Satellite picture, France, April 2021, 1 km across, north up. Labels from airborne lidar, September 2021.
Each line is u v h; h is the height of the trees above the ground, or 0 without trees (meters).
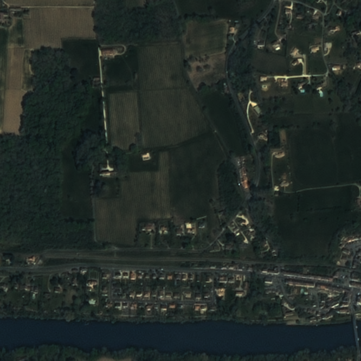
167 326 0
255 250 14
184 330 0
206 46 0
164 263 0
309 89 10
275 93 0
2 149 23
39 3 0
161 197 0
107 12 15
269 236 24
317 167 0
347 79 7
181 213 0
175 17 20
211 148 0
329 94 9
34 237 19
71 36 0
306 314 11
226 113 0
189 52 0
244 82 18
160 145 0
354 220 0
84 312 25
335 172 0
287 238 0
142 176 0
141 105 0
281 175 0
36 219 24
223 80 13
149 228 0
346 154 0
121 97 0
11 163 22
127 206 0
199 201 0
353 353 13
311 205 0
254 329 0
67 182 0
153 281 0
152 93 0
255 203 20
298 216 0
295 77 0
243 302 11
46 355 22
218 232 16
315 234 0
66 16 0
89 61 0
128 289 8
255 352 0
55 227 22
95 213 0
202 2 0
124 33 20
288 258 7
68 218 0
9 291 9
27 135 25
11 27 0
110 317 14
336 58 0
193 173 0
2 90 0
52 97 21
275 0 0
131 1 0
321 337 0
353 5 0
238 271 0
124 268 0
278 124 0
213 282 0
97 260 0
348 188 0
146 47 0
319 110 0
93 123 0
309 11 8
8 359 20
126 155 17
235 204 17
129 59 0
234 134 0
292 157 0
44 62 22
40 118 17
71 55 0
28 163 20
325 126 0
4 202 20
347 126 0
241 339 0
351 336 0
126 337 0
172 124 0
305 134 0
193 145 0
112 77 0
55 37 0
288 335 0
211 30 0
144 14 21
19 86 0
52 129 28
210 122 0
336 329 0
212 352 0
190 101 0
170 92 0
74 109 22
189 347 0
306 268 6
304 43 0
